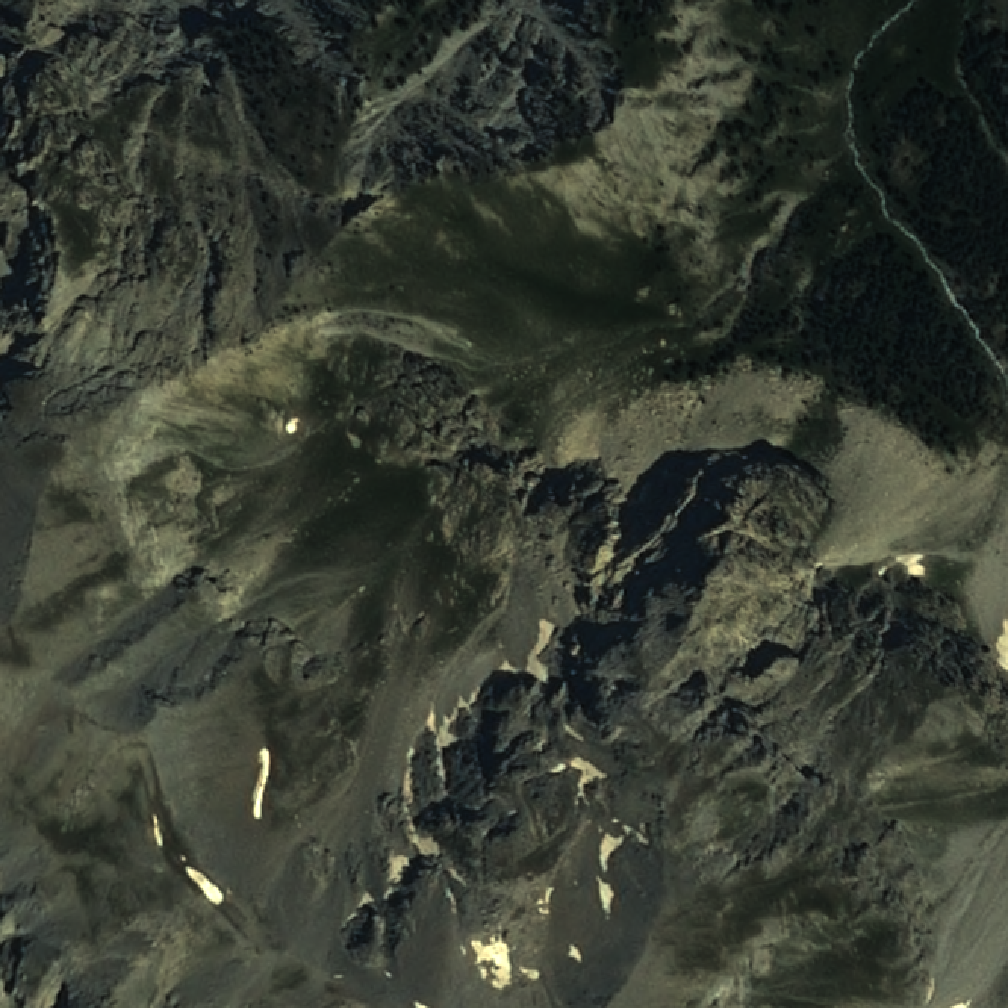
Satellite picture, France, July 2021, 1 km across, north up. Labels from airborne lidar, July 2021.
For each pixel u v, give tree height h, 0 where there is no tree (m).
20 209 0
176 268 0
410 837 0
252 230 0
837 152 0
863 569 0
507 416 0
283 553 0
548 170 0
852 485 0
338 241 0
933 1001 0
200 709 0
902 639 0
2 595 0
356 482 0
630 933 0
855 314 11
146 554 0
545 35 0
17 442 0
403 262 0
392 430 0
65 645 0
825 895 0
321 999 0
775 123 9
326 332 0
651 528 0
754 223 0
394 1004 0
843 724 0
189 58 0
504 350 0
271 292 0
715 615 0
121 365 0
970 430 0
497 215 0
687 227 0
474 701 0
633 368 0
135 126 0
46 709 0
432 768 0
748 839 0
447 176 0
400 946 0
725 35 0
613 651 0
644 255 0
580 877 0
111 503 0
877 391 15
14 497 0
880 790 0
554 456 0
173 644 0
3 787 0
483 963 0
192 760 0
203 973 0
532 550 0
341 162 0
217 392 0
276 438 0
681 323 0
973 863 0
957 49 0
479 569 0
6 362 0
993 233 19
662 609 0
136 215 0
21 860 0
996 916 0
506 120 0
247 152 0
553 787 0
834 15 0
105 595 0
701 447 0
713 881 0
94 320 0
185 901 0
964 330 6
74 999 0
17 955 0
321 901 0
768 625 0
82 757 0
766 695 0
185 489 0
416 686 0
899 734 0
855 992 0
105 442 0
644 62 0
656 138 0
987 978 0
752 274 0
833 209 0
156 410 0
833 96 0
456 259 0
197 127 0
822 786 0
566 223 0
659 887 0
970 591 0
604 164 0
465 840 0
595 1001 0
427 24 8
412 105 0
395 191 0
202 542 0
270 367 0
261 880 0
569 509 0
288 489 0
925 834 0
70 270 0
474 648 0
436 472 0
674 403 0
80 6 0
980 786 0
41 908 0
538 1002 0
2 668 0
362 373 0
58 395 0
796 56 0
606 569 0
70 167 0
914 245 0
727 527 0
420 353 0
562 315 0
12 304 0
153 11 0
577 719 0
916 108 11
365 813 0
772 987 0
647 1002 0
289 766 0
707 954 0
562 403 0
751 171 10
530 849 0
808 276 0
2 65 0
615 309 0
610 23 0
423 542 0
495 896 0
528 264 0
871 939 0
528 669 0
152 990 0
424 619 0
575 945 0
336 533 0
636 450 0
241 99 0
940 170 16
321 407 0
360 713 0
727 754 0
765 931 0
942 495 0
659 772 0
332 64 0
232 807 0
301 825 0
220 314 0
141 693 0
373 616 0
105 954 0
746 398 0
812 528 0
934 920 0
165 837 0
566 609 0
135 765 0
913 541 0
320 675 0
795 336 15
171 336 0
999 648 0
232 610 0
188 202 0
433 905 0
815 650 0
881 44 0
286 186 0
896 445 0
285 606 0
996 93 10
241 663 0
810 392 0
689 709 0
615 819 0
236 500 0
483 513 0
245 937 0
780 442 0
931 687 0
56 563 0
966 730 0
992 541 0
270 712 0
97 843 0
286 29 0
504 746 0
